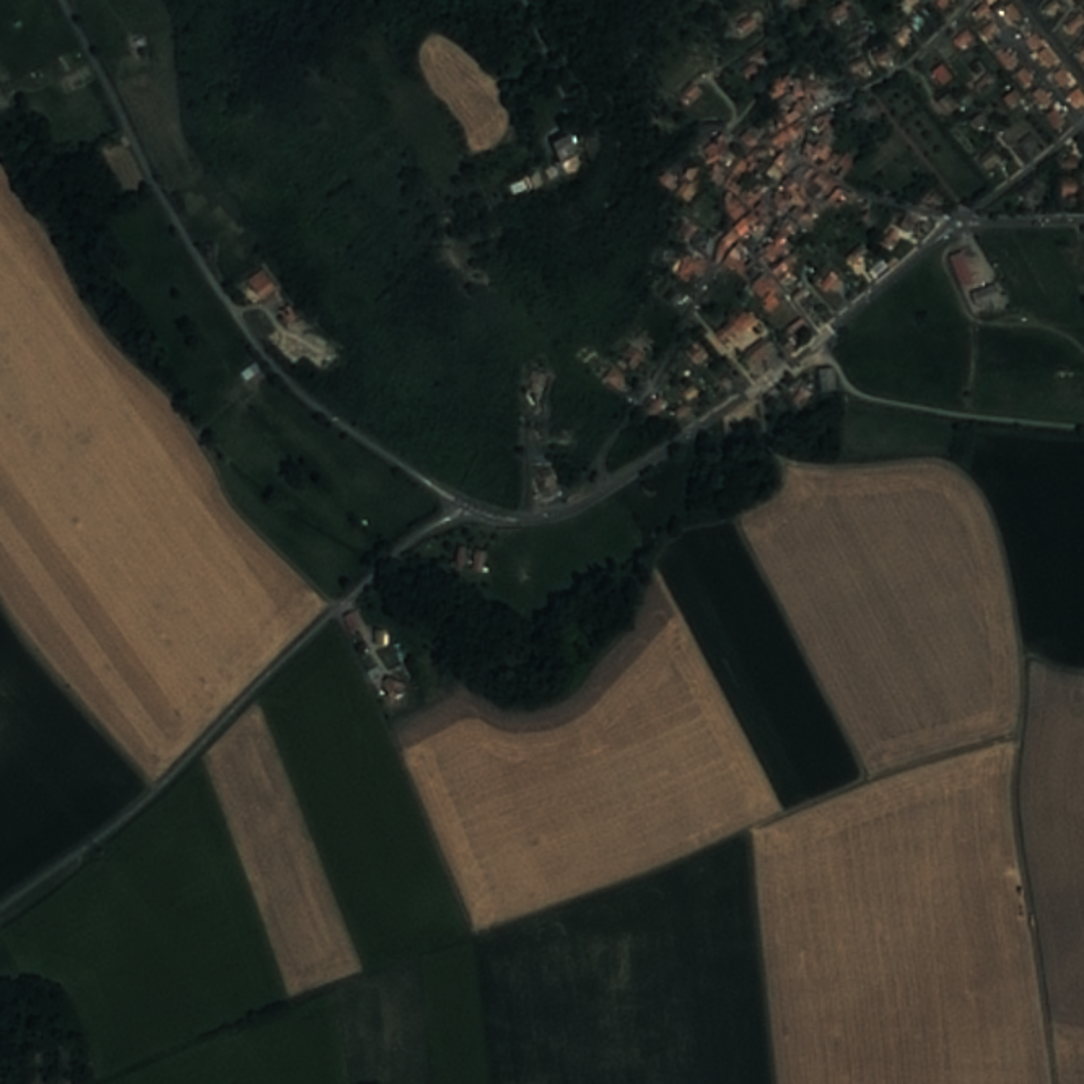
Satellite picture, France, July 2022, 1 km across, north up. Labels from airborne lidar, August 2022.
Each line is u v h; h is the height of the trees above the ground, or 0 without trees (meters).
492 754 0
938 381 0
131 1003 0
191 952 0
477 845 0
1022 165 0
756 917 0
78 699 0
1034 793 0
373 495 0
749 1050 0
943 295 0
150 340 24
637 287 12
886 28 0
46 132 13
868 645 0
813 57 19
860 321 0
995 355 0
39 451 0
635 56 21
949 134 9
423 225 7
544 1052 0
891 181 0
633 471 0
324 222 7
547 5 12
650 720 0
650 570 10
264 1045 0
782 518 0
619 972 0
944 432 0
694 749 0
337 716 0
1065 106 0
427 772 0
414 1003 0
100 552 0
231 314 0
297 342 0
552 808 0
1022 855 0
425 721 0
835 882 0
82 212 19
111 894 0
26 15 0
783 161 0
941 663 0
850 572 0
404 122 0
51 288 0
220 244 0
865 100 10
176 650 0
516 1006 0
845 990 0
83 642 0
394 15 9
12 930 0
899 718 0
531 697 21
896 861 0
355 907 0
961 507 0
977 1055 0
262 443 0
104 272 30
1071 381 0
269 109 8
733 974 0
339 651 0
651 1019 0
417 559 10
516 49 14
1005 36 0
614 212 12
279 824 0
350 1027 0
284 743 0
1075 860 0
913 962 0
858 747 0
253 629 0
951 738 0
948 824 0
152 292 0
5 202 0
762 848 0
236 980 0
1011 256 0
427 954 0
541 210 9
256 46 10
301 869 0
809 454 7
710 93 0
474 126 0
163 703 0
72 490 0
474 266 7
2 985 17
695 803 0
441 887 0
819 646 0
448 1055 0
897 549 0
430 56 0
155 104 0
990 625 0
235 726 0
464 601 23
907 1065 0
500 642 23
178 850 0
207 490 0
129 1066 0
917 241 0
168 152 0
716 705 0
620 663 0
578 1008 0
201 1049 0
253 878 0
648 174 13
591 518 0
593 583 15
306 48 11
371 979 0
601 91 14
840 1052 0
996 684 0
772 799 0
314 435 0
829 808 0
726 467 19
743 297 6
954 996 0
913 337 0
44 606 0
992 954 0
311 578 0
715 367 8
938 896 0
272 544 0
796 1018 0
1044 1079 0
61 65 0
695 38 10
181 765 0
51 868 0
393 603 31
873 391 0
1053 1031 0
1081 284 0
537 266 7
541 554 0
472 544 8
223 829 0
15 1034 11
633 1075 0
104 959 0
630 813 0
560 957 0
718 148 0
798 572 0
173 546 0
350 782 0
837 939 0
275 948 0
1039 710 0
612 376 0
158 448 0
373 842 0
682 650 0
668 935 0
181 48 5
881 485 0
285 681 0
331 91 0
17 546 0
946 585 0
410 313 6
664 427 12
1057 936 0
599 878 0
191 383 0
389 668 0
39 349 0
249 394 0
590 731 0
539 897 0
